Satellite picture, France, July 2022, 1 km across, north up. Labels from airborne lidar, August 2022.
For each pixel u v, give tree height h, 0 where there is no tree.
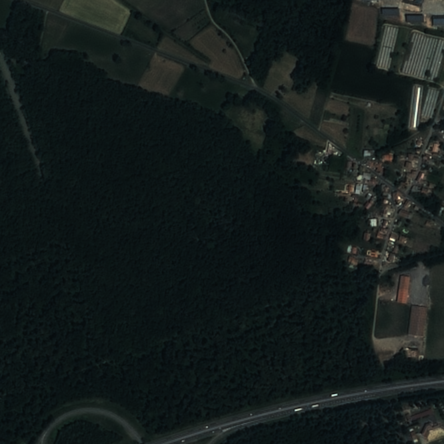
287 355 22
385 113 0
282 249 27
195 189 19
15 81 11
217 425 0
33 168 15
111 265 18
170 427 15
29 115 12
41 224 19
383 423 23
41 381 17
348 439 30
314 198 9
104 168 20
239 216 27
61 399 19
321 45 26
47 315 22
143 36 0
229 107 13
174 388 17
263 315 20
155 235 19
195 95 0
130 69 0
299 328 22
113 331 23
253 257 29
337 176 0
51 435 0
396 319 0
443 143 9
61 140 17
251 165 21
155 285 20
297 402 0
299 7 21
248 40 0
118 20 0
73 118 18
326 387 16
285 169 26
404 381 0
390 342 0
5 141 16
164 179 17
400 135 8
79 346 19
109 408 0
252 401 17
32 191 19
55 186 20
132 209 17
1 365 22
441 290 0
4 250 20
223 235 23
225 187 16
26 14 19
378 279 24
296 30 27
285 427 16
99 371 19
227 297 18
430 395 16
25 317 9
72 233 23
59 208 22
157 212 19
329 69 17
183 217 16
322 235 15
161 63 0
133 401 18
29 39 21
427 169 8
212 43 0
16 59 21
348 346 21
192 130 23
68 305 17
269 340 21
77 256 21
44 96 22
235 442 15
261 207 27
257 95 20
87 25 0
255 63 21
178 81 0
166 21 0
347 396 0
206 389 21
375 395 0
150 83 0
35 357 15
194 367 19
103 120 16
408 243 0
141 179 17
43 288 20
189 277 18
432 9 0
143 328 23
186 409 8
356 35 0
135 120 19
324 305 24
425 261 13
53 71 19
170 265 19
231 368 19
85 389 22
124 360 18
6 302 23
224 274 24
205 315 22
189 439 0
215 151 22
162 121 17
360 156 0
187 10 0
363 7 0
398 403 17
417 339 0
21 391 22
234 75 0
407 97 0
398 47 0
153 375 23
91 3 0
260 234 25
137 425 0
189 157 22
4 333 21
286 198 23
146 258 20
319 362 8
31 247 15
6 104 15
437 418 0
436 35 0
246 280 22
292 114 0
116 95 20
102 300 18
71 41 0
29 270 18
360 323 16
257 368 24
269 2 27
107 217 15
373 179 0
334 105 0
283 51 25
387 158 0
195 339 21
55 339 20
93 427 8
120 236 17
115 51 0
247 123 0
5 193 20
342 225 11
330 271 22
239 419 0
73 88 19
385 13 0
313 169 17
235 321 18
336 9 33
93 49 0
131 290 20
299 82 14
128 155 17
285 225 28
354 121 0
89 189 21
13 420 16
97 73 13
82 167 23
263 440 15
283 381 19
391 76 16
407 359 7
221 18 0
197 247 21
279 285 22
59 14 0
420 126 10
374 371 27
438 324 0
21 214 17
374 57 6
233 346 16
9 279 21
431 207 17
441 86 0
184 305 22
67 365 20
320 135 0
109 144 15
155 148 21
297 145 17
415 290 0
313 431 17
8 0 0
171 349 23
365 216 9
